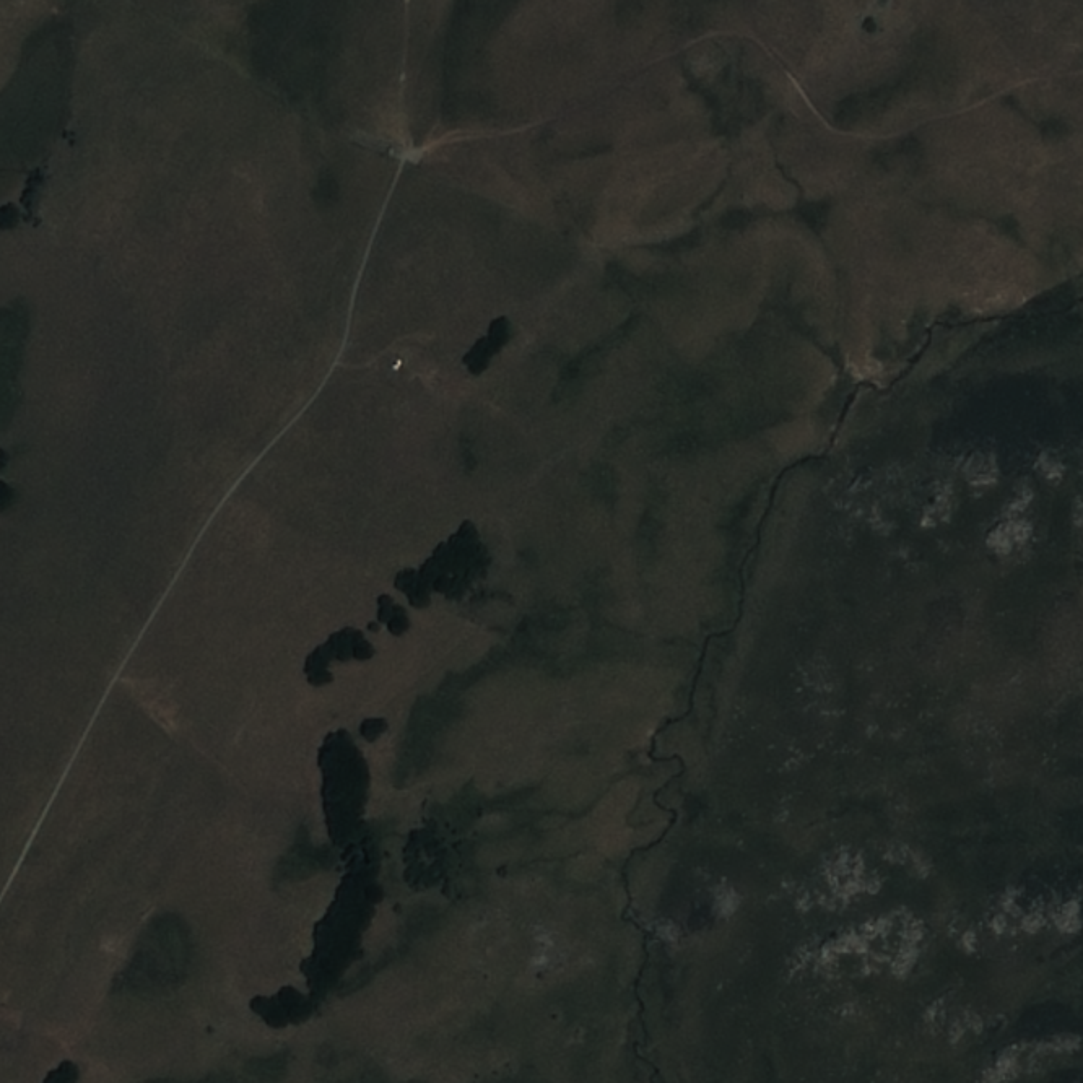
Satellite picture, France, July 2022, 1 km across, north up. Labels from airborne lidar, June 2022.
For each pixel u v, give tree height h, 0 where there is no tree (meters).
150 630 0
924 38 0
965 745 0
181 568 0
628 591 0
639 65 0
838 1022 0
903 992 0
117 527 0
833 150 0
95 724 0
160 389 0
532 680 0
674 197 0
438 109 0
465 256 0
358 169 0
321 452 0
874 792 0
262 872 0
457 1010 0
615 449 0
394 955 0
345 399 0
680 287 0
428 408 0
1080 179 0
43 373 0
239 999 0
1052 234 0
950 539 0
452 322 0
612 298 0
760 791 0
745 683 0
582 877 0
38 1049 0
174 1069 0
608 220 0
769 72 0
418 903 0
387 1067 0
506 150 0
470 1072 0
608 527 0
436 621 0
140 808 0
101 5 0
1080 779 0
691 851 0
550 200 0
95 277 0
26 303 0
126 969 0
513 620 0
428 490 0
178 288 0
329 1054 0
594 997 0
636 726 0
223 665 0
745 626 0
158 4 0
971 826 0
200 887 0
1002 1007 0
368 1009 0
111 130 0
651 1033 0
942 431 0
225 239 0
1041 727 0
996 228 0
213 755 0
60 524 0
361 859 11
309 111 0
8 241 0
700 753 0
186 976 0
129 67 0
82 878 0
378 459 0
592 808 0
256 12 0
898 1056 0
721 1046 0
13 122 0
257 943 0
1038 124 0
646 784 0
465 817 0
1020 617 0
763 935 0
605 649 0
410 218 0
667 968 0
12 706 0
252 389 0
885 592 0
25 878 0
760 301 0
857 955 0
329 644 9
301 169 0
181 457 0
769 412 0
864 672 0
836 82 0
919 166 0
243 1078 0
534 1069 0
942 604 0
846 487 0
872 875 0
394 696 0
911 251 0
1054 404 0
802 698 0
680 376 0
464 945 0
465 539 18
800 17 0
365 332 0
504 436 0
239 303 0
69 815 0
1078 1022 0
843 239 0
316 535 0
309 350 0
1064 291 0
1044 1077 0
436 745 0
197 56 0
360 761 23
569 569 0
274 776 0
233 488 0
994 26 0
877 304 0
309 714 0
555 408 0
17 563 0
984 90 0
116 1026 0
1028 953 0
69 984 0
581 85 0
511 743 0
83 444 0
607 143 0
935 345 0
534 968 0
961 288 0
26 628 0
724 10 0
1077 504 0
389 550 0
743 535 0
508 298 0
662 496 0
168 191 0
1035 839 0
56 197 0
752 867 0
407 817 0
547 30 0
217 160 0
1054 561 0
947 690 0
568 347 0
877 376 0
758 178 0
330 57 0
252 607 0
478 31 0
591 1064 0
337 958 23
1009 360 0
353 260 0
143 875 0
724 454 0
